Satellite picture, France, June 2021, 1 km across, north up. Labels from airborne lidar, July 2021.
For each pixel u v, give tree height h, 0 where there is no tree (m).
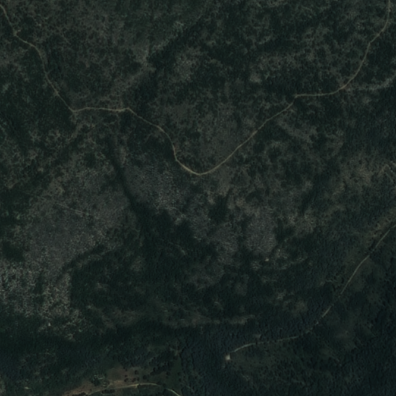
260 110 6
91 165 7
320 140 8
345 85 0
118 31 0
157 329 11
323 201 7
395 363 10
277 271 8
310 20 7
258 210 0
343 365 11
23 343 10
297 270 6
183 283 9
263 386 9
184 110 0
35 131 0
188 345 14
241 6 6
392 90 10
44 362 7
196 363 14
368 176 0
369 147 6
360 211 6
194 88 6
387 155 7
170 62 6
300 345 8
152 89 6
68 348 8
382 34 7
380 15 7
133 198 8
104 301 9
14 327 5
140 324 11
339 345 6
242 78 6
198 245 6
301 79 7
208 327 8
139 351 10
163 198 0
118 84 0
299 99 9
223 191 0
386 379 9
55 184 0
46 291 0
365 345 7
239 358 0
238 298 7
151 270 9
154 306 6
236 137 0
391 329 17
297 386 9
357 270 0
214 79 6
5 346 10
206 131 0
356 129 7
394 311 6
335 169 7
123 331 13
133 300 7
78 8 0
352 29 7
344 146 7
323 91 7
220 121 0
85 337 6
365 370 9
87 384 0
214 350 7
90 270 10
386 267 7
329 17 6
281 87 11
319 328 7
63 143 5
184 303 14
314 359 14
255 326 14
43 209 0
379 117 8
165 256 10
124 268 6
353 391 9
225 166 0
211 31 6
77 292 7
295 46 6
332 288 5
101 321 8
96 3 0
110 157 7
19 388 7
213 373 12
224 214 7
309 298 7
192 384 10
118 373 0
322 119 6
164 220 7
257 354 7
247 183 0
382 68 7
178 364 0
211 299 7
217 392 10
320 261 9
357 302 7
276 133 11
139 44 0
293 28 8
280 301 7
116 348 8
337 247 11
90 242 0
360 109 6
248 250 7
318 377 7
